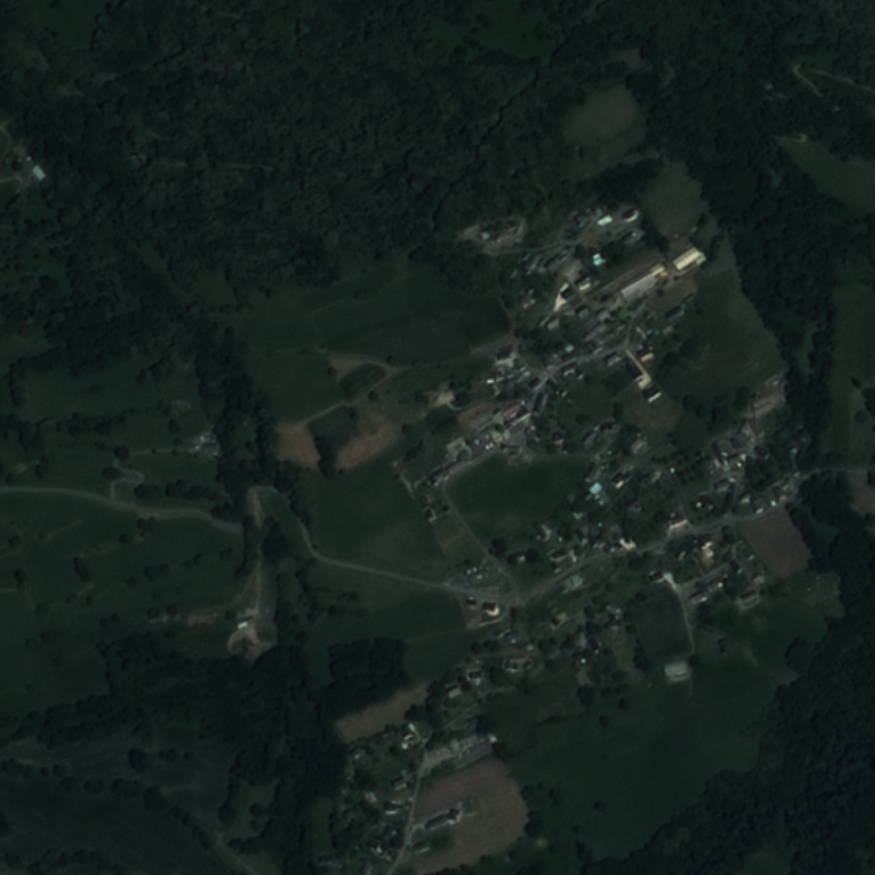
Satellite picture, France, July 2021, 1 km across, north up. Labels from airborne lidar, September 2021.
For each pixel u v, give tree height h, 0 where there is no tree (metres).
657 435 0
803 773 17
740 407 13
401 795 0
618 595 0
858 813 22
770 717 11
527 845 0
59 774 18
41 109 14
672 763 0
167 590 0
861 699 22
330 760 21
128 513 0
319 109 22
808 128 20
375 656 18
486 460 0
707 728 0
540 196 20
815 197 21
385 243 17
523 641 0
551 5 20
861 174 0
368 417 0
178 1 15
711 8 19
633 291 0
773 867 0
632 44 23
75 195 28
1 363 0
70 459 0
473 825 0
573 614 0
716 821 17
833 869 18
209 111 26
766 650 0
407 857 0
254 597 0
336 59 24
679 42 19
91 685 0
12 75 17
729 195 10
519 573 0
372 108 20
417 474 0
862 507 0
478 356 0
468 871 17
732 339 0
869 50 11
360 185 22
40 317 22
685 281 0
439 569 0
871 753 22
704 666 0
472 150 25
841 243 17
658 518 10
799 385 18
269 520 9
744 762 0
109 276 22
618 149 0
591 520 6
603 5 15
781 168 19
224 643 0
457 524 0
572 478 0
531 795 9
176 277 16
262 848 21
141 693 7
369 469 0
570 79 25
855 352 0
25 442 19
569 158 17
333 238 25
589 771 0
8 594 0
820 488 23
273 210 23
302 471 9
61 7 20
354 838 16
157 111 8
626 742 0
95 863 15
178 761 14
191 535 0
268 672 23
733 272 0
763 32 15
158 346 22
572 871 0
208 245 21
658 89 10
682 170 0
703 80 19
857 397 0
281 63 22
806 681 12
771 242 6
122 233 26
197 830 14
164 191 17
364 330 0
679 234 0
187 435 0
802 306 20
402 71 22
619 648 0
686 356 13
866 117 11
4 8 12
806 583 0
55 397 0
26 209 21
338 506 0
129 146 22
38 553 0
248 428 0
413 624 0
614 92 0
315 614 8
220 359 27
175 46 10
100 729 24
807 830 11
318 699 23
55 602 0
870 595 25
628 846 0
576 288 0
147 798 16
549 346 8
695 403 14
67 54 22
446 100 21
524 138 18
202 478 0
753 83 19
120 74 22
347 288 0
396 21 16
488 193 21
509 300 11
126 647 16
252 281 20
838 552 29
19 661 0
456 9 13
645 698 0
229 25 12
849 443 0
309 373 0
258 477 20
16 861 13
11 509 0
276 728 7
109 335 15
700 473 7
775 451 6
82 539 0
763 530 0
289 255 21
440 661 0
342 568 0
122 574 0
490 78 19
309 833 17
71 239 23
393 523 0
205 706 7
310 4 21
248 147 26
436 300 0
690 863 26
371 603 0
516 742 0
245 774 21
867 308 0
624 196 21
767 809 18
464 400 16
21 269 23
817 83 8
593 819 0
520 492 0
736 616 0
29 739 16
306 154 28
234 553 11
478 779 0
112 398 0
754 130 14
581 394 0
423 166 22
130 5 18
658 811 0
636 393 0
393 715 0
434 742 11
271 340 0
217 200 20
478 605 0
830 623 11
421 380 0
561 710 0
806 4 14
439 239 19
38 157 21
